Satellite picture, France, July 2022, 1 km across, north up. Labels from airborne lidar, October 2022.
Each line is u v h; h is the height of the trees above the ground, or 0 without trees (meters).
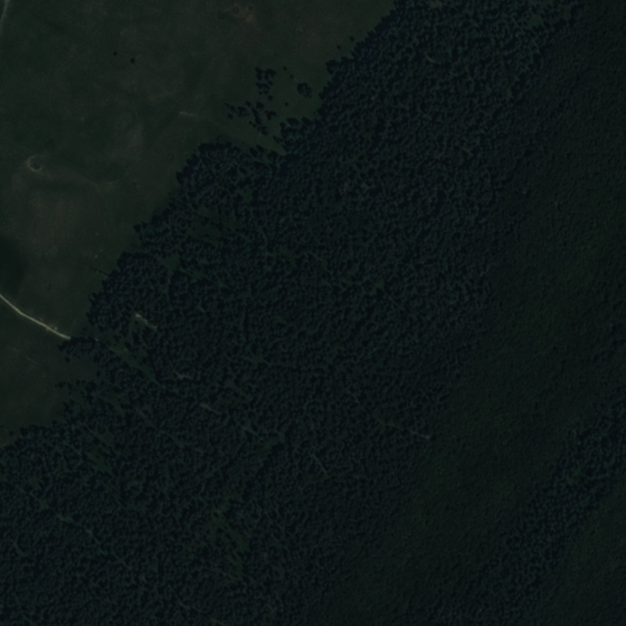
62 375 0
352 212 8
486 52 27
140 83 0
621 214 21
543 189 17
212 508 17
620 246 18
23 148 0
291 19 0
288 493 23
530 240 17
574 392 17
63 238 0
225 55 0
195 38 0
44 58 0
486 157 29
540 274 22
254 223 24
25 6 0
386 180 25
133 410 21
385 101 26
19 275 0
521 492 22
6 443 0
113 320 20
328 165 24
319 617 21
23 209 0
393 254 23
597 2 21
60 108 0
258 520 25
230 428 25
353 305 26
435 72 23
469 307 26
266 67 0
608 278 25
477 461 26
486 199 15
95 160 0
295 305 11
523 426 29
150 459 17
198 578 24
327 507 22
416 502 21
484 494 27
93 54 0
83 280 0
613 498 11
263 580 16
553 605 17
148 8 0
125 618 20
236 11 0
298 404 11
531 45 27
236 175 26
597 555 14
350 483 11
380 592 26
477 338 25
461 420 23
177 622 20
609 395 24
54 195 0
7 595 21
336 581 17
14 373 0
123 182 0
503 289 20
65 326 0
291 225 13
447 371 25
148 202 0
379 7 0
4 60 0
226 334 18
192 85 0
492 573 25
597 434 32
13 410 0
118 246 0
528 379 27
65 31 0
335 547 19
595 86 19
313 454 24
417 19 24
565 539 20
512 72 18
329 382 17
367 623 30
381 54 30
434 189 29
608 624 19
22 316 0
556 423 22
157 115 0
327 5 0
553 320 21
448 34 26
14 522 22
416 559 26
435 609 13
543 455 22
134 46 0
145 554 23
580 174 18
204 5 0
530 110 24
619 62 21
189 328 22
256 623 22
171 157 0
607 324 27
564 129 18
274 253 26
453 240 17
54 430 6
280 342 21
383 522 24
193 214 14
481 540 25
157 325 17
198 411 28
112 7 0
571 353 26
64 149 0
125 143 0
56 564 31
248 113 19
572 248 19
